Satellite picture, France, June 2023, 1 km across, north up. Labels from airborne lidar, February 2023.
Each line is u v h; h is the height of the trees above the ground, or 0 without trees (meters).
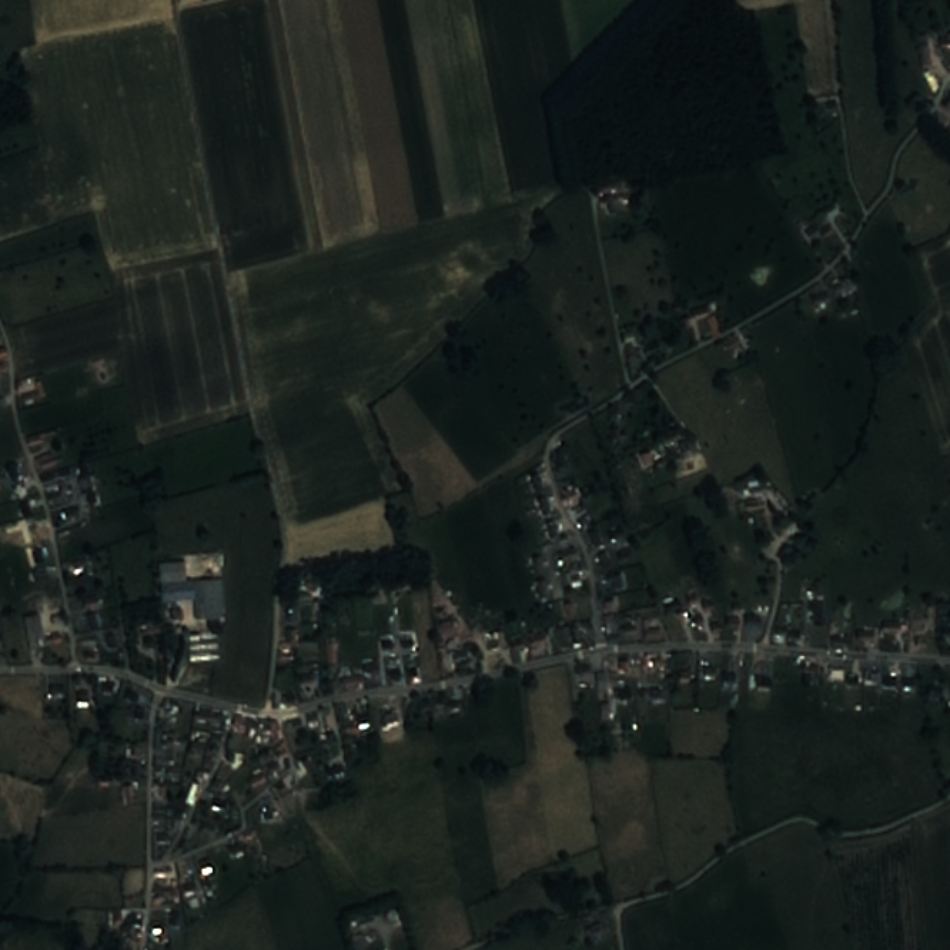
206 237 0
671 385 0
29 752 0
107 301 0
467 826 0
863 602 0
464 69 0
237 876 0
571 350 0
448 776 0
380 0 0
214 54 0
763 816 0
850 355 0
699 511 0
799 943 0
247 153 0
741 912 0
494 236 0
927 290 0
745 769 0
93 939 0
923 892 0
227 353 0
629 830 0
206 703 0
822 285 0
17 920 9
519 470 0
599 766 0
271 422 0
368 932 0
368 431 0
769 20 0
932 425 0
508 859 0
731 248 0
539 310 0
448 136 0
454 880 0
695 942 0
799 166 0
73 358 0
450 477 0
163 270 0
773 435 0
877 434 0
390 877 0
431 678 0
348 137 0
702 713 0
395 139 0
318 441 0
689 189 0
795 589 0
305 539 0
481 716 0
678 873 0
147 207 0
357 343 0
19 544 0
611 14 0
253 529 0
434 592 0
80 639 0
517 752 0
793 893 0
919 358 0
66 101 0
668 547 0
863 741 0
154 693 0
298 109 0
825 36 0
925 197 0
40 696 0
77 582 8
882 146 0
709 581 22
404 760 0
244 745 0
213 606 0
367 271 0
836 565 0
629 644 0
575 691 0
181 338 0
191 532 0
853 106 0
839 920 0
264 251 0
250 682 0
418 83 0
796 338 0
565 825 0
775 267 0
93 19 0
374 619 0
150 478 10
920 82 0
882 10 23
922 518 0
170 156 0
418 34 0
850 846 0
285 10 0
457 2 0
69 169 0
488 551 0
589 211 0
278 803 0
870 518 0
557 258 0
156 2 0
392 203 0
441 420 0
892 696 0
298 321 0
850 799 0
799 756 0
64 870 6
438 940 0
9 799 0
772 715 0
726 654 0
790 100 0
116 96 0
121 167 0
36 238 0
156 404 0
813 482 0
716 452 0
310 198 0
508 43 0
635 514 0
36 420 0
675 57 20
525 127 0
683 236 0
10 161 0
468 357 23
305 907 0
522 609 0
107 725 10
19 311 0
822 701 0
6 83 6
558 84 0
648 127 21
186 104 0
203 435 0
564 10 0
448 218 0
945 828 0
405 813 0
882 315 0
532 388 0
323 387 0
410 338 0
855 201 0
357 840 0
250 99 0
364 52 0
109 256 0
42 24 0
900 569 0
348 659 0
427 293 0
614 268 0
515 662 0
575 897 7
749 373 0
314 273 0
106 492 0
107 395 0
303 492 0
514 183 0
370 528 0
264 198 0
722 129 15
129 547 0
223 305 0
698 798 0
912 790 0
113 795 0
